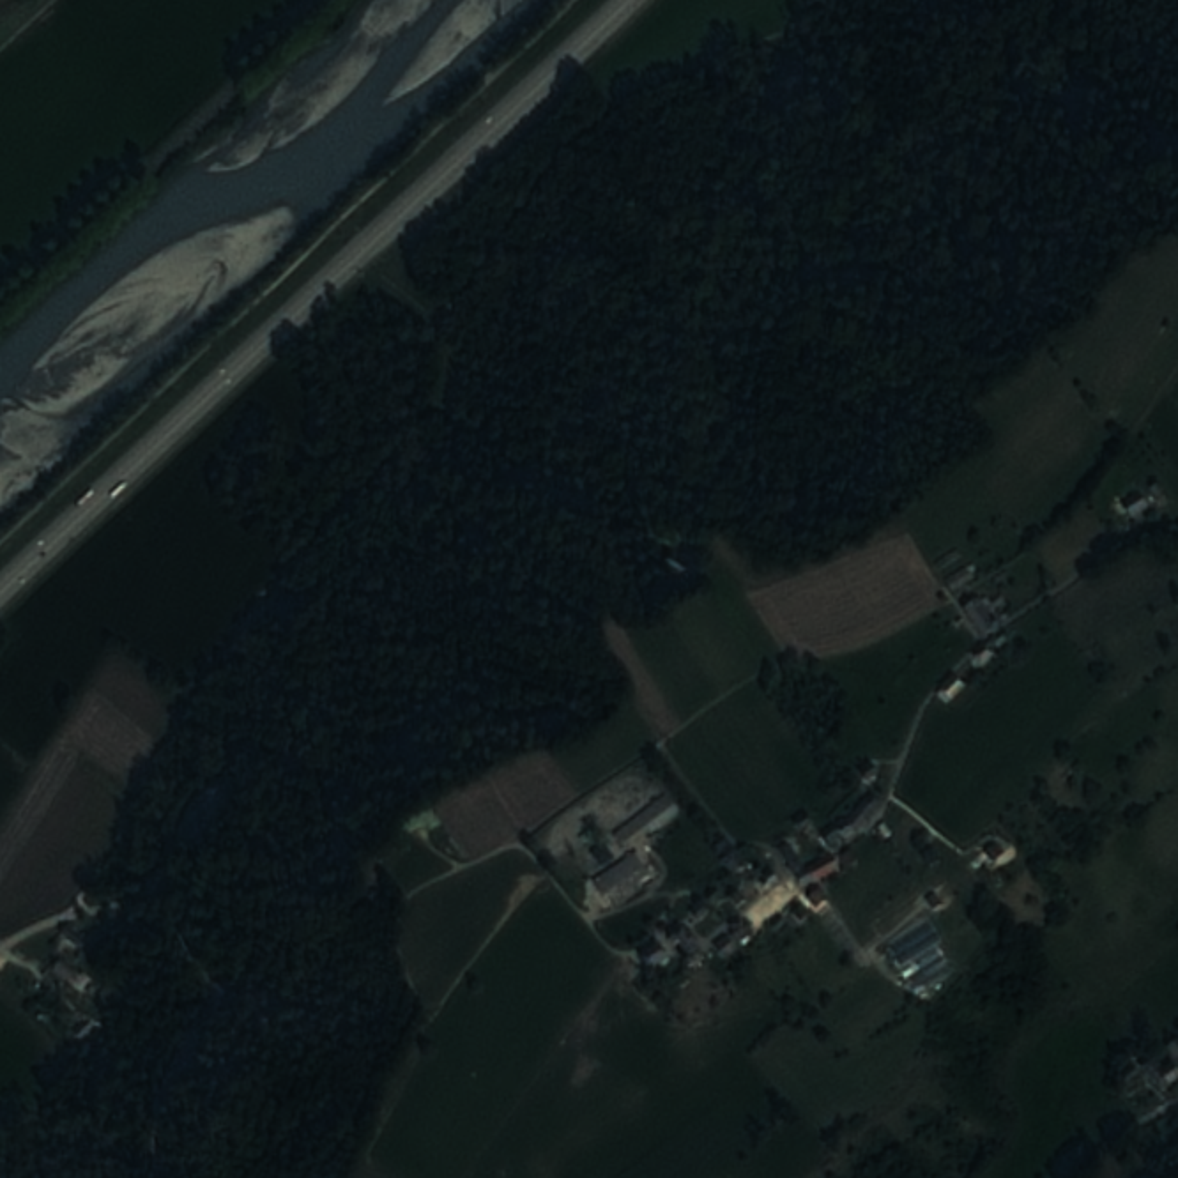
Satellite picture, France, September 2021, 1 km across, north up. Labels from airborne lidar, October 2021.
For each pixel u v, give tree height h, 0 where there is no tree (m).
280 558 13
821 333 19
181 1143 22
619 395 25
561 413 23
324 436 23
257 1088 14
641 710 0
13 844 0
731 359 22
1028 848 8
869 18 14
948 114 22
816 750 16
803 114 30
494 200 18
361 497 21
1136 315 0
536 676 22
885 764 0
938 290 27
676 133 18
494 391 13
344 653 18
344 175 0
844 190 31
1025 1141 0
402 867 0
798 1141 0
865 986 0
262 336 0
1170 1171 8
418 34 0
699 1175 0
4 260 0
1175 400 0
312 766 29
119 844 8
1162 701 0
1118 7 27
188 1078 10
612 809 0
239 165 0
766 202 28
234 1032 25
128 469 0
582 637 22
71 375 0
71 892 0
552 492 14
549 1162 0
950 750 0
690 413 12
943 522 0
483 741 21
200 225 0
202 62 0
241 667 24
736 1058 0
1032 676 0
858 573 0
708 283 13
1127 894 0
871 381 15
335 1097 20
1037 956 9
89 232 30
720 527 11
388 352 23
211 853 30
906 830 0
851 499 20
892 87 23
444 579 26
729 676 0
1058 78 13
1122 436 13
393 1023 18
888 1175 16
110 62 0
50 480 10
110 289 0
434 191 0
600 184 20
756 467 16
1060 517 11
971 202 8
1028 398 0
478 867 0
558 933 0
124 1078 8
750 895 0
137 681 0
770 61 14
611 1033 0
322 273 0
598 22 0
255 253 0
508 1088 0
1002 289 20
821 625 0
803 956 0
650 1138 0
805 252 30
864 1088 0
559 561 21
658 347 21
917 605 0
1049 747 0
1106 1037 0
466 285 9
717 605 0
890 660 0
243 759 20
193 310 0
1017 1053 0
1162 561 8
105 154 0
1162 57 26
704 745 0
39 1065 0
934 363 21
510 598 32
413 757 11
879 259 31
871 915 0
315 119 0
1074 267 23
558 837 0
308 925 14
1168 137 10
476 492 28
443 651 25
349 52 0
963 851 0
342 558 19
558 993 0
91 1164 26
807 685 8
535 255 12
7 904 0
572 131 15
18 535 0
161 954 32
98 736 0
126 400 12
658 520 20
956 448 20
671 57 0
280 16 0
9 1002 0
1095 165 31
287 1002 28
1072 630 0
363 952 21
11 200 0
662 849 10
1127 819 12
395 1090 0
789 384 25
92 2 0
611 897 0
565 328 31
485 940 0
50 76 0
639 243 18
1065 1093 0
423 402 15
